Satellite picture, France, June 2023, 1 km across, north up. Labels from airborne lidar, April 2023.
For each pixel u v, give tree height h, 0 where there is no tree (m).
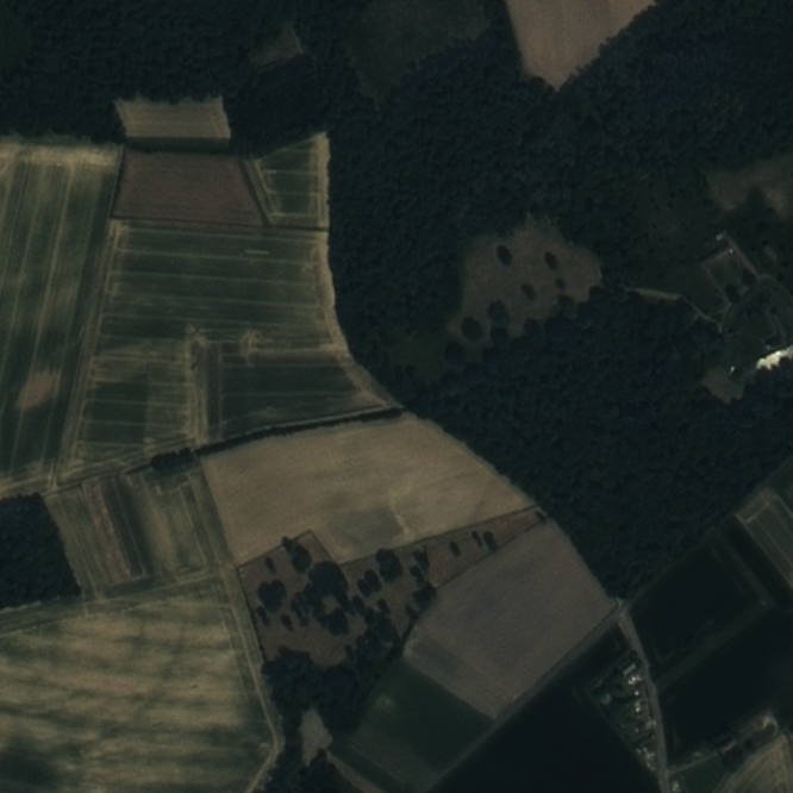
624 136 21
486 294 0
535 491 16
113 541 0
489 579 0
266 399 0
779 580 0
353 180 18
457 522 0
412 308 24
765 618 0
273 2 29
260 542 0
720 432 32
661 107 23
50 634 0
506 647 0
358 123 23
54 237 0
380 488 0
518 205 29
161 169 0
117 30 27
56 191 0
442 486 0
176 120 0
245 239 0
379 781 0
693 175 23
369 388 0
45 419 0
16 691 0
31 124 22
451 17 0
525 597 0
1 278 0
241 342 0
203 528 0
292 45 0
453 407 25
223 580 0
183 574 0
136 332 0
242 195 0
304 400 0
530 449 29
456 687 0
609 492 30
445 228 24
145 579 0
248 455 0
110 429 0
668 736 0
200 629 0
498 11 21
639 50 25
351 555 0
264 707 0
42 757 0
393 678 0
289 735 23
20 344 0
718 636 0
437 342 0
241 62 24
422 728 0
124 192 0
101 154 0
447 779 0
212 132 0
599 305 20
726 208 0
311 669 26
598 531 22
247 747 0
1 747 0
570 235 24
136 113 0
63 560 20
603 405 30
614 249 26
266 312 0
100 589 0
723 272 0
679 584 0
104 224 0
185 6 23
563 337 28
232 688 0
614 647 0
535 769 0
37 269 0
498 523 0
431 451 0
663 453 27
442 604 0
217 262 0
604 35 0
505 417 27
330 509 0
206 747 0
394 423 0
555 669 0
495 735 0
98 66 22
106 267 0
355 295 21
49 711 0
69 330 0
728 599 0
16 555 26
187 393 0
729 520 0
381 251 24
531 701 0
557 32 0
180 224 0
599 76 25
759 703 0
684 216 0
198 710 0
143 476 0
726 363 0
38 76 26
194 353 0
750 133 27
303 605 24
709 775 0
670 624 0
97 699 0
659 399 33
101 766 0
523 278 0
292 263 0
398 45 0
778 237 0
